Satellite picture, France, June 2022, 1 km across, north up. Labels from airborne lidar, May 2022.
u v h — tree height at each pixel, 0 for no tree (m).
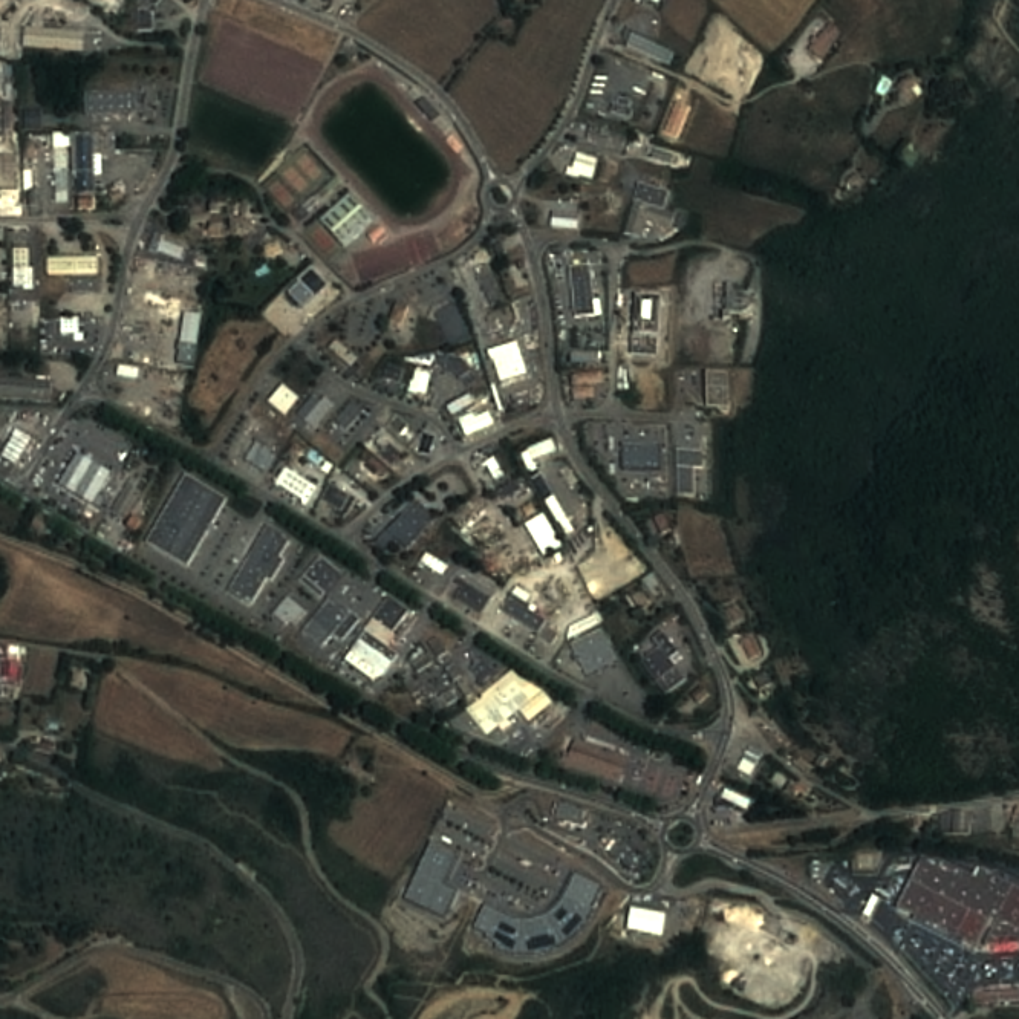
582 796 0
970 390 12
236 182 8
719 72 0
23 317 0
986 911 0
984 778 11
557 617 0
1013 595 6
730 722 0
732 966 0
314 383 7
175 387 0
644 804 17
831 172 0
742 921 0
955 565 6
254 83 0
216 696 0
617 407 0
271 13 0
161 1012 0
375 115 0
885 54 0
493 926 0
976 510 9
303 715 0
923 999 0
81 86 10
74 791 6
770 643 6
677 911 0
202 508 0
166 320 0
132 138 11
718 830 0
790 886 0
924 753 8
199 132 0
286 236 6
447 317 0
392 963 0
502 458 0
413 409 0
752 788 14
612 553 0
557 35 0
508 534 0
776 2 0
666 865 0
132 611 0
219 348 0
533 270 0
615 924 0
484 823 0
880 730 6
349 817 0
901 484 11
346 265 0
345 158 0
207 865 0
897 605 7
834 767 7
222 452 5
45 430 0
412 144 0
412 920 0
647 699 10
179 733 0
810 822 0
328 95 0
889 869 0
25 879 6
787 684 10
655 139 7
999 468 9
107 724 0
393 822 0
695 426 0
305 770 6
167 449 21
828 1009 0
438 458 0
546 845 0
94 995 0
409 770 0
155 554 0
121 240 0
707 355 0
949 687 6
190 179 17
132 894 0
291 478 0
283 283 7
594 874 0
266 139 0
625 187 0
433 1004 0
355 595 0
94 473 0
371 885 0
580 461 0
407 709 0
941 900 0
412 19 0
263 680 0
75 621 0
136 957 0
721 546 0
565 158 0
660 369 0
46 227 0
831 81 0
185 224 20
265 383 0
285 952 0
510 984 7
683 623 10
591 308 0
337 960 0
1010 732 7
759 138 0
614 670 0
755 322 0
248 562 0
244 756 8
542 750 10
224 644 8
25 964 0
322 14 0
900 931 0
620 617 0
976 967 0
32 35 0
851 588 7
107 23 7
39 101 9
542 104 0
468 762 14
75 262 0
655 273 0
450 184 0
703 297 0
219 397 0
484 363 5
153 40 6
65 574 0
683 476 0
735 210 0
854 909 0
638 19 0
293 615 0
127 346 0
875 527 7
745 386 0
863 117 6
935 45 0
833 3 0
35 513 19
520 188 0
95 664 13
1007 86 0
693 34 0
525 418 0
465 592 0
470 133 0
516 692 0
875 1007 0
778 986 0
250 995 0
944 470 10
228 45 0
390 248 0
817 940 0
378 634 0
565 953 0
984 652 7
